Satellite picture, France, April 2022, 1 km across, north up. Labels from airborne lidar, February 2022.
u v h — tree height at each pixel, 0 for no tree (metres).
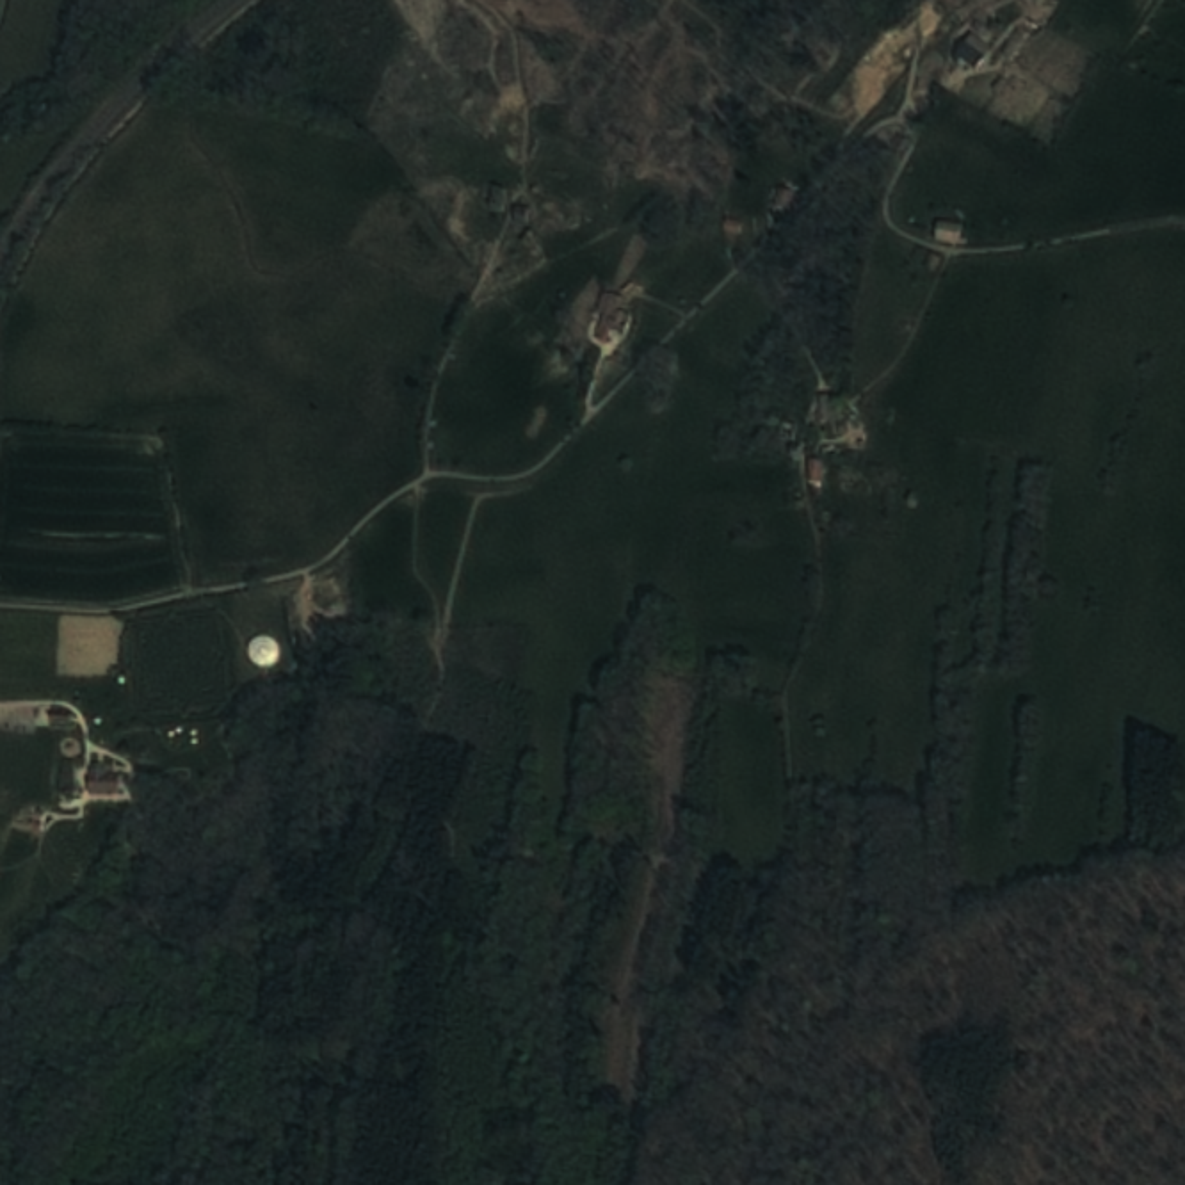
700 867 22
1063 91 0
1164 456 0
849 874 11
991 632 12
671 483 0
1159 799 23
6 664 0
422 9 0
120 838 17
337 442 0
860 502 0
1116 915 29
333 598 0
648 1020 29
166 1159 10
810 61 21
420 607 0
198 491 0
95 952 28
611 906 22
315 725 22
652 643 25
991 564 9
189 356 0
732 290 0
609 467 0
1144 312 0
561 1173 25
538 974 21
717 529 0
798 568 0
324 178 0
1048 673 0
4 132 10
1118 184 0
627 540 0
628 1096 0
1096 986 30
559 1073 25
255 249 0
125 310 0
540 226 0
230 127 0
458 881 26
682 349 0
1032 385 0
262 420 0
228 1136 27
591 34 0
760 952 30
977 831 0
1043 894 24
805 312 21
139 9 35
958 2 0
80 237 0
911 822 28
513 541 0
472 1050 14
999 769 0
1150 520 0
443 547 0
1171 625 0
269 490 0
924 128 19
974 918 30
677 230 22
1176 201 0
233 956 8
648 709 28
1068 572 0
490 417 0
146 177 0
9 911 0
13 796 0
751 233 0
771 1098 25
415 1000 29
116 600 0
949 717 15
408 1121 26
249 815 29
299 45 31
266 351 0
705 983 31
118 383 0
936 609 0
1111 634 0
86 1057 26
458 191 0
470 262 0
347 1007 27
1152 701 0
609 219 0
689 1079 34
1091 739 0
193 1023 26
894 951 28
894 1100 28
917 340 0
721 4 24
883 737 0
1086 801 0
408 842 20
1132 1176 29
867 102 0
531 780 21
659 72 26
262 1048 26
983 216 0
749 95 24
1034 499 20
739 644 0
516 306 0
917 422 0
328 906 24
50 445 0
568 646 0
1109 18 0
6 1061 27
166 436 6
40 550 0
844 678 0
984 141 0
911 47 0
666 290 0
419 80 0
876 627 0
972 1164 19
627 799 23
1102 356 0
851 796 17
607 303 0
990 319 0
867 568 0
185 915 22
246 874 10
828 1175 28
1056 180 0
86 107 18
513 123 0
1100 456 0
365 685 18
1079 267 0
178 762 0
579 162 0
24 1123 27
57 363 0
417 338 0
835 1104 20
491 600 0
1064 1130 26
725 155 25
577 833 12
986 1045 21
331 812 26
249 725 22
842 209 28
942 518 0
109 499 0
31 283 0
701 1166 31
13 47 0
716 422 0
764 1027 16
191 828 26
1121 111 0
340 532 0
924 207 0
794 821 12
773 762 0
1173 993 28
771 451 15
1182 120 0
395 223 0
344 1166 25
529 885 25
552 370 0
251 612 0
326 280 0
